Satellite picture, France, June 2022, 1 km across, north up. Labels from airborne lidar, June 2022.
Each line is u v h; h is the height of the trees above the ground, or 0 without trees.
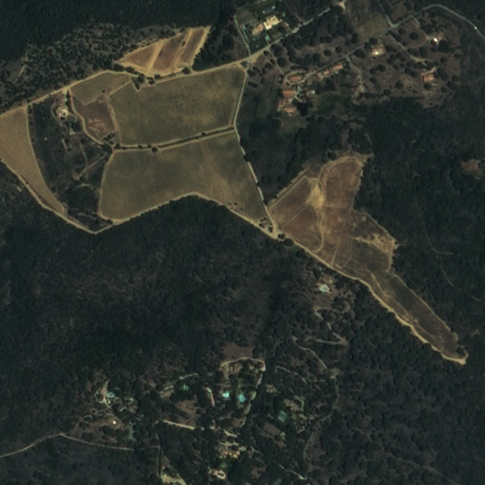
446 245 6
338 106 0
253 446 9
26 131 0
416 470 6
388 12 7
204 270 10
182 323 10
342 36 9
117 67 11
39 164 0
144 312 8
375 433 7
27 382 8
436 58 0
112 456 7
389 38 0
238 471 14
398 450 7
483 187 8
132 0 8
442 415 5
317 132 0
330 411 7
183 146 0
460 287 6
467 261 13
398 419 8
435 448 6
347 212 0
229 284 12
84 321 6
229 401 9
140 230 7
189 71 11
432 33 9
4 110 7
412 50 9
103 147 9
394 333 10
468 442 9
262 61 0
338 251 0
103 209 0
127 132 0
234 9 6
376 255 0
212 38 7
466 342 7
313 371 9
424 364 7
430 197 9
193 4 7
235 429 8
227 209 6
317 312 6
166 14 6
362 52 10
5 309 6
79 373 13
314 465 7
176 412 9
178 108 0
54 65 11
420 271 6
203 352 13
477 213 13
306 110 9
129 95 0
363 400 9
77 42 7
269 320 6
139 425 13
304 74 6
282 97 10
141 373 6
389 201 10
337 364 10
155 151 8
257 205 0
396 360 13
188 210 7
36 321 8
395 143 7
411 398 8
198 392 11
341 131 7
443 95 8
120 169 0
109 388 11
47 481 8
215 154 0
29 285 8
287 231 0
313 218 0
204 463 10
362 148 11
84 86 0
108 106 0
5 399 8
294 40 10
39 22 10
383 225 6
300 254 12
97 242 10
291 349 11
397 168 7
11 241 6
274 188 0
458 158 15
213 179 0
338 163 0
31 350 7
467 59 0
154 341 9
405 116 6
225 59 11
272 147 0
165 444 8
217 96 0
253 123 8
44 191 0
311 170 0
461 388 12
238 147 0
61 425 7
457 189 11
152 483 8
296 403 8
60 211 0
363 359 12
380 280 0
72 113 0
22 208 6
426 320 0
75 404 8
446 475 7
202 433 9
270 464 10
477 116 6
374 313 6
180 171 0
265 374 9
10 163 0
